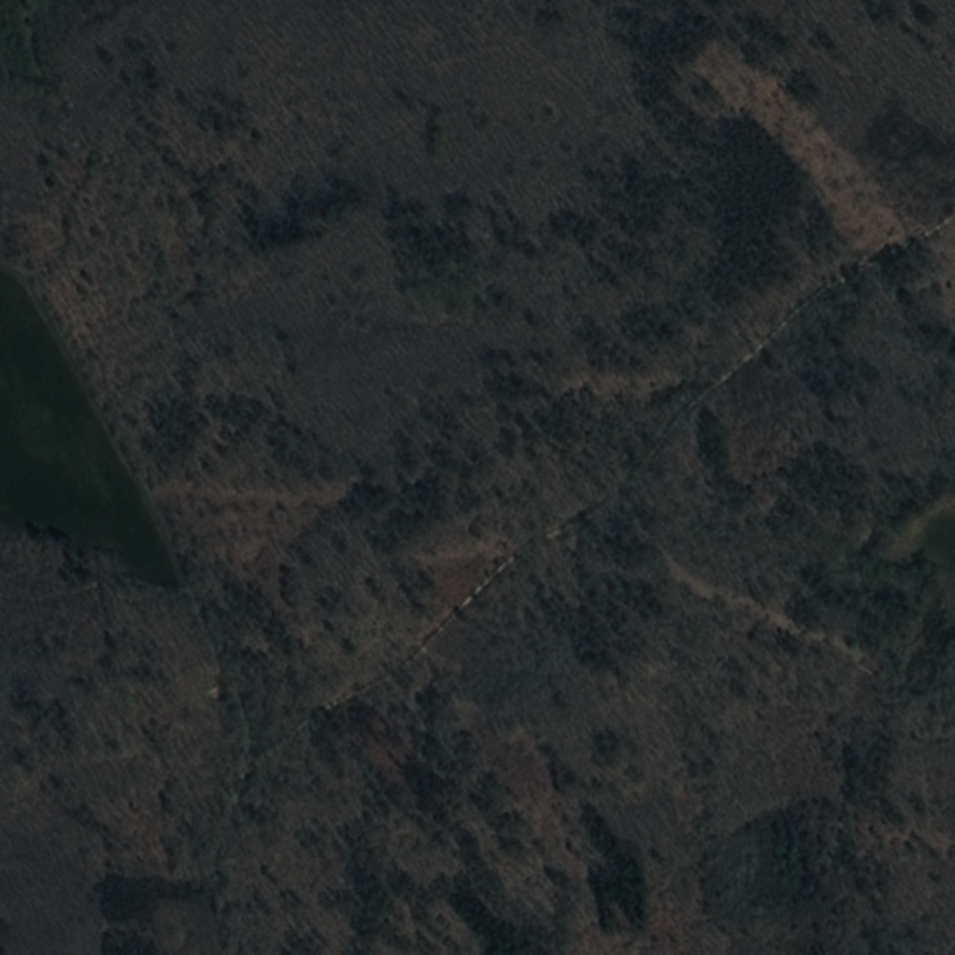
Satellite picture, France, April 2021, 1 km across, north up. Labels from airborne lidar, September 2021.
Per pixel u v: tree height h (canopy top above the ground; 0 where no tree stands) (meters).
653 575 15
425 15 17
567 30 18
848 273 6
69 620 7
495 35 20
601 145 14
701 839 11
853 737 19
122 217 13
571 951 13
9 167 13
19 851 15
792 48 16
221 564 16
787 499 18
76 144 16
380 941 26
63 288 17
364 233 16
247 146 17
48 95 18
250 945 19
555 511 23
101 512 0
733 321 18
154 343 16
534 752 20
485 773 13
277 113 17
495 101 12
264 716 20
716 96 25
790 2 24
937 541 0
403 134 14
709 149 13
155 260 19
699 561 20
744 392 7
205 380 19
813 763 6
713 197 25
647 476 24
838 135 14
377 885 16
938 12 16
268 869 19
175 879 21
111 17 11
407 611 17
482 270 16
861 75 19
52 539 9
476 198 18
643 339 22
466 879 16
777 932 10
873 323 19
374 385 17
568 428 28
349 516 24
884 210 14
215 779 23
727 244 23
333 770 25
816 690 16
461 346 17
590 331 16
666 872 10
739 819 22
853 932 13
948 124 9
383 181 18
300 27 18
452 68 16
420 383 16
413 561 14
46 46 19
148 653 17
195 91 18
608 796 20
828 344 18
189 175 22
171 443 24
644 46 22
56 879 14
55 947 15
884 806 14
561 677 14
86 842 14
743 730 16
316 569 22
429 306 29
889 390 18
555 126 13
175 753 25
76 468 0
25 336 0
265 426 21
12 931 12
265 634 23
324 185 18
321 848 24
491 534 22
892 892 12
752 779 20
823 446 14
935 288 13
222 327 17
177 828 17
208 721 16
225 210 22
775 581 20
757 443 7
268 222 19
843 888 7
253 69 15
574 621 25
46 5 14
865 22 20
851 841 16
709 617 19
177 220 24
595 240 29
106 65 23
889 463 21
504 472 16
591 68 18
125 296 17
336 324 13
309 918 15
